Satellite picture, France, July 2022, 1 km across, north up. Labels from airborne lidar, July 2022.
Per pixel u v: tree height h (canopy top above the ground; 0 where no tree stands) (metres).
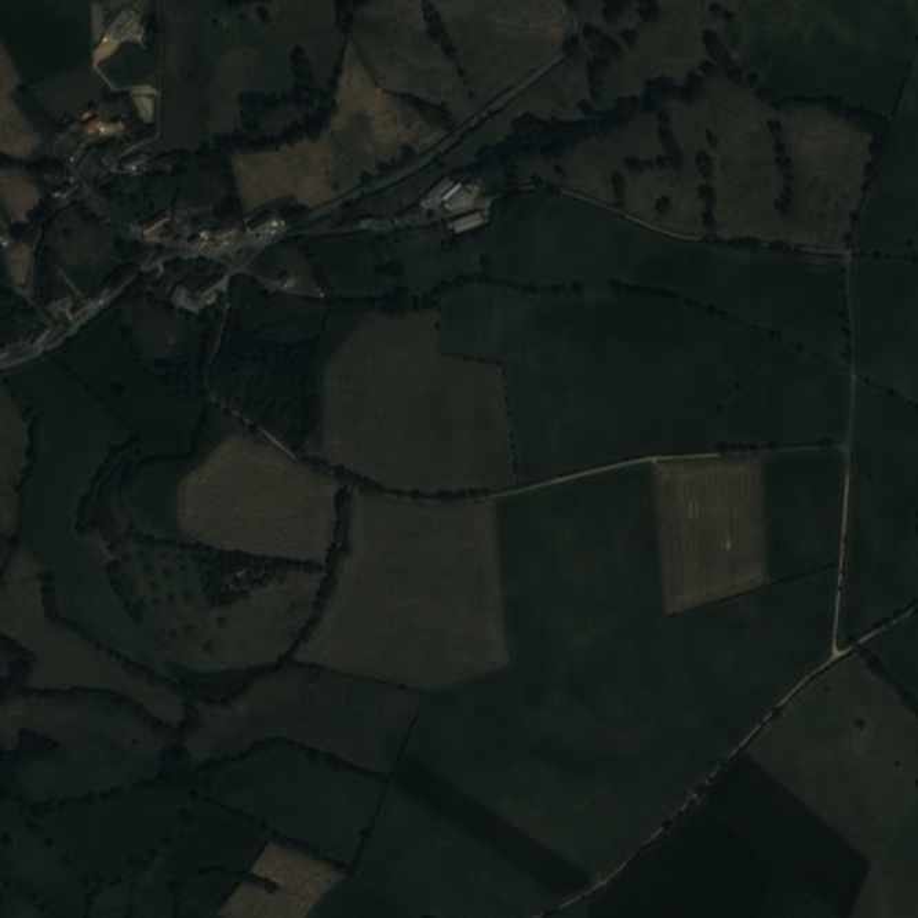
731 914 0
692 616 0
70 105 0
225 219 17
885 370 0
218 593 9
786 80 0
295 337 0
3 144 0
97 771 0
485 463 0
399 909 0
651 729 0
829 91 0
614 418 0
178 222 0
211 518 0
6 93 0
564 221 0
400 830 0
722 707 0
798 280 0
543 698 0
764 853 0
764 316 0
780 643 0
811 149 0
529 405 0
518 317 0
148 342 0
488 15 0
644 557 0
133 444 9
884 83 0
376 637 0
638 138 0
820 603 0
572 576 0
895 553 0
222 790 0
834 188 0
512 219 0
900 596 0
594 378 0
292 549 0
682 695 0
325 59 0
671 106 0
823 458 0
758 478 0
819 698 0
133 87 0
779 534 0
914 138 0
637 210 0
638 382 0
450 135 14
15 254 0
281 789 0
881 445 0
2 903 14
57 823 0
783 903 0
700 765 0
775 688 0
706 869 0
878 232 0
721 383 0
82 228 0
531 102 0
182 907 7
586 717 0
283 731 0
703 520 0
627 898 0
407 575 0
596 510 0
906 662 0
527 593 0
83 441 0
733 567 0
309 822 0
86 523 13
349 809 0
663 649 0
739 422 0
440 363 0
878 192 0
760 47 0
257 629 0
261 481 0
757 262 0
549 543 0
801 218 0
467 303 0
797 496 0
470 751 0
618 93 0
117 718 0
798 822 0
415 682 0
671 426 0
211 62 0
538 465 0
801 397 0
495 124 0
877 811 0
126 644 0
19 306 7
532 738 0
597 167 0
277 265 0
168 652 0
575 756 0
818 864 0
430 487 0
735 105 0
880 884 0
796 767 0
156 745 0
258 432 12
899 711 0
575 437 0
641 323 0
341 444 0
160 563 0
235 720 0
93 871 0
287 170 0
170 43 0
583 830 0
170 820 0
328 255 0
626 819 0
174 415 0
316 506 0
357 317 0
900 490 0
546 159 13
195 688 13
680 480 0
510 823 0
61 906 0
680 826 0
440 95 0
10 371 0
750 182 0
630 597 0
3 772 21
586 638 0
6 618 0
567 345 0
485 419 0
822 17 0
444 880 0
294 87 0
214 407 12
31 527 0
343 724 0
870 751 0
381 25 0
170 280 0
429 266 0
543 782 0
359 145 0
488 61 0
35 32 0
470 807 0
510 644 0
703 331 0
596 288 0
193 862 0
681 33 0
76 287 0
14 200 0
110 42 0
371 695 0
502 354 0
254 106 22
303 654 0
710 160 21
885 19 0
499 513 0
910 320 0
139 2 0
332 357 0
